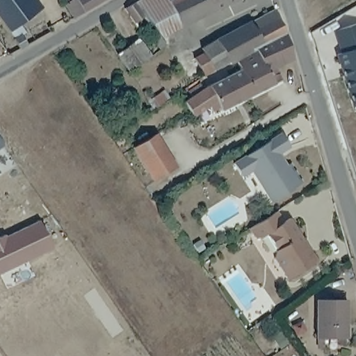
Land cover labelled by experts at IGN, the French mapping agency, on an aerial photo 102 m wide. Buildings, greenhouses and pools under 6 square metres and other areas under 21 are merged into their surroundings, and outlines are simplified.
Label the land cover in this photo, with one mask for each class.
<instances>
[{"label":"agricultural land","instance_id":"1","mask_svg":"<svg viewBox=\"0 0 356 356\"><path fill-rule=\"evenodd\" d=\"M136 146L133 143L131 145L127 140L111 138L104 131L97 115L93 113L88 100L85 96L79 95L75 85L58 64L57 51H53L35 64L26 79L24 96L18 102L4 104V110L0 111V171L15 170L17 175H24L28 179L29 213L32 216H39L42 213L43 204L49 211L56 213L54 218L60 224V235L68 238L83 260L90 261L100 285L106 289L133 335L150 356H298L281 332L275 335L274 341H268L260 330H243L239 316H236L235 310H229L214 286L211 285V278L193 270V264L186 261V257L175 243L174 236L168 234L170 229L160 217L154 199L153 193L147 186L152 185L153 179L140 164L135 153Z\"/></svg>","mask_w":356,"mask_h":356},{"label":"herbaceous vegetation","instance_id":"2","mask_svg":"<svg viewBox=\"0 0 356 356\"><path fill-rule=\"evenodd\" d=\"M305 17L303 22L310 26L311 32L330 24L338 15L356 7V0H298ZM53 22H50L43 10L15 31H11L0 17V50L14 53L26 44L53 32ZM120 33L115 29L111 19L106 24H99L75 38L68 40L64 47L74 50L75 56L86 64L85 78L88 81L75 85L79 95L85 96L88 100L96 95L97 90L107 88L110 81L107 78H110L115 68L122 70L125 67H132L125 61V57H120V53L115 51L114 39ZM170 44H165V40L160 36L159 47L150 50L152 56L147 57V63L142 64L140 70L142 71L139 75L122 76L127 85L138 90L143 110L150 107L147 102L150 97L161 95L164 88L171 89L185 86L189 92H192L193 86L209 76L202 70L203 63H197L195 74L189 76L178 63V53L170 50ZM281 82L292 81L298 95H307L309 86L303 72L300 74L298 71L288 70L281 76ZM328 86L331 88L334 102L341 104L337 113L356 164V106L346 86V72L339 74V78L330 79ZM248 111L257 107L263 111V115L270 114L281 107V103H275L268 95L245 104ZM182 113L181 106L171 102L165 103L163 110H160L152 117L138 121L140 128L135 133L133 143L136 146L142 145L159 133L157 125L163 124L167 118L174 117L175 114ZM245 124L241 113L235 110L234 106L218 113H203L202 117L199 124L193 125L189 133L193 136L195 145L200 146L203 138H209L207 143L213 145L214 136L222 135L236 125ZM286 159L291 160L298 174L302 175L299 191L310 184L311 177H316L321 165L320 156L313 146L300 147L296 152L288 154ZM235 163L225 164L218 170V175L227 179L229 196L242 197L248 193L249 188L245 181L239 177L238 171H234ZM28 179L24 175H17L15 170L0 171V238L14 234L43 218L46 222L47 235H53L56 246L51 252L44 253L29 263L35 275L22 284H4L1 275H0V356H150L133 335L106 289L100 285L90 261L83 260L68 238L60 235V224L54 218L56 213L49 211L43 204L42 213L39 216H32L29 213ZM93 289L99 292L108 309L117 317L122 328L120 334L111 335L100 318L96 317L95 311L86 300V293ZM192 182L191 188L186 189L175 200L172 204V213L195 243L202 241L206 246L210 248L206 238L209 231L204 227L202 217L210 207L227 196L218 192L216 186L211 185L207 179L197 182L192 178L189 179ZM295 202L292 196L274 204L270 213L261 214L256 220L248 221L246 222L250 228L277 213V210ZM222 259L214 254V260L204 261V266H200L199 260L186 257V261L193 264V270L211 278V285L214 286L220 282V277H227L228 273L236 270V266H241L253 284L266 289L275 303L273 310L277 313L305 293L302 286L298 291L292 292L282 278L277 280L274 277L254 243L248 249L241 245L235 253L229 252L227 245H220ZM314 296H310L305 303L289 314L288 324L292 327L305 325L306 331L300 338L311 356H324L323 349L317 348L313 334Z\"/></svg>","mask_w":356,"mask_h":356},{"label":"building","instance_id":"3","mask_svg":"<svg viewBox=\"0 0 356 356\"><path fill-rule=\"evenodd\" d=\"M43 0H0V17L11 31H15L43 10ZM99 0H67L65 4L68 8L65 13L75 18L86 11ZM232 0H136L132 6H122L118 10L122 18L127 19L128 24L135 29L140 22L149 21L159 29L160 36L165 40L170 39L182 28H195L217 17ZM259 24L257 31L248 22L234 31L225 33L207 46L200 44L199 49L203 50V54L196 57L197 63H203L202 70L209 76L193 86L192 92H189L186 96L189 102L188 110L193 115L202 117L203 113H218L234 106L241 102L245 104L268 95L266 89L281 82V76L288 70L298 71L300 74L303 72L298 51L293 49L291 38L286 36L289 28L284 25L275 8L263 14V17L256 18ZM335 61L341 64L339 74L346 72V86L356 106V26L350 29L338 28L335 31ZM152 56L150 50L142 39H138L120 53V57H125V61L132 67L140 70L142 64L147 63V57ZM171 89L164 88L161 95L150 97L147 102L150 107H157L160 110H163L165 103L171 102ZM291 146L282 128L275 131L270 138L260 140L250 147L248 152L236 159L235 163L234 171H238L239 177L245 181L246 177L254 172L267 191L264 196L268 203L274 204L292 196L299 191L302 175L298 174L291 160L286 159L282 154ZM135 153L140 164L153 179L152 185L147 186L153 193L163 189L175 177L185 174L160 133H159L142 145L136 146ZM257 238H266L268 248L275 250L274 259L280 263L285 274L300 268L309 271L311 266H320L321 261H324L327 254L320 248L313 250L307 242L303 218L292 217L289 211L277 213L250 228V231ZM56 246L53 235H47L46 222L43 218L14 234L0 238V275H1L11 268L29 263L44 253L51 252ZM197 252H202L206 246L202 241L195 243ZM348 299L318 300L317 320L318 334L324 341L335 339L338 345H345V339H349L350 345L356 346V330L349 327ZM300 338L306 331L305 325L292 327Z\"/></svg>","mask_w":356,"mask_h":356},{"label":"impervious surface","instance_id":"4","mask_svg":"<svg viewBox=\"0 0 356 356\"><path fill-rule=\"evenodd\" d=\"M136 0H99L86 11L88 17L67 26L53 38L26 51L15 60L0 65V79L56 44L64 42L65 39L71 36L75 38L99 24H106L111 19L110 15L118 10L122 6H132ZM275 8L284 25L289 28L286 36L291 38L293 49L298 51L303 72L309 86L307 95L310 102L306 104L305 110L284 124L282 128L291 146L282 154L286 159L288 154L296 152L300 147L313 146L320 156L321 165L328 177V188L317 195L303 197L299 203L295 202L277 210V213L289 211L292 217L303 218L307 242L313 250L320 248L327 254L324 261L331 263L332 260L342 259L346 254L352 267L343 271L337 282H332V288L324 289L314 296L313 334L317 348L323 349L324 356H356V346L350 345L349 339H345V345H338L335 339L324 341L318 334L317 320L318 300L348 299L349 327L356 330V164L337 113L341 104L334 102L331 88L328 86L330 79L339 78V74L341 64L335 61V31L338 28L350 29L356 26V7L338 15L330 24L311 32L310 26L303 22L305 17L298 0H232L217 17L195 28H182L170 39L165 40V44H170V50L178 53L189 49L193 53L199 49L200 44L207 46L225 33L234 31L248 22L257 31L259 24L256 18L263 17V14ZM249 188L248 193L242 197L229 196H227L210 207L202 217L204 227L209 231H224L225 228L246 222L248 221L246 204L250 197L256 193L264 196L267 191L254 172L246 177L245 181ZM227 206L235 207L236 216L216 227L211 221L213 214ZM254 243L274 277L277 280L282 278L292 292L298 291L302 286L320 273V266H311L309 271L300 268L285 274L280 263L274 259L275 250L268 248L266 238H257L250 231L241 245L248 249ZM35 275L29 263L11 268L1 275L4 284H22ZM235 278L241 280L253 296L254 300L249 305H243L242 300L232 289L231 281ZM220 282L235 300L236 306L241 307L246 320H257L260 324L274 320L277 313L273 310L275 303L266 289L253 284L241 266H236V270L228 273L227 277H220ZM86 300L95 311L96 317L100 318L111 335L120 334L122 328L117 317L108 309L99 292L93 289L86 293Z\"/></svg>","mask_w":356,"mask_h":356},{"label":"deciduous trees","instance_id":"5","mask_svg":"<svg viewBox=\"0 0 356 356\"><path fill-rule=\"evenodd\" d=\"M135 36H138V39H142L150 50L159 47L160 36L159 29L149 21L140 22L135 29ZM58 64L75 85L88 81L85 78L86 64L75 56L74 50L64 47L57 51ZM142 71L140 70L132 67H125L122 70L115 68L110 78H107L110 81L107 88L97 90L96 95L88 100L93 113L97 115L104 131L111 138L127 140L131 145L133 143L135 133L140 128L138 121L152 117L160 110L157 107H150L143 110L138 90L127 85L122 76L139 75ZM189 92L185 86L171 89V102L181 106L182 113L175 114L174 117L167 118L163 124L157 125L159 133H160L177 127H186L188 124L193 125L199 124L202 117L193 115L188 110L189 102L186 96ZM284 124L277 122L267 131L257 132L246 145L225 153L221 160L203 167L192 178L197 182L207 179L211 185L216 186L218 192L227 196H229L227 179L218 175V170L225 164L235 163L236 159L248 152L250 147L260 140L270 138L275 131L282 128ZM328 188V177L321 165L316 177H311L310 184L299 191L292 196L295 202L299 203L303 197L317 195ZM192 182L189 179L174 186L167 195L156 196L154 199L160 217L170 229L168 234L174 236L175 243L186 257L199 260L200 266H204V261L214 260V254L222 259L220 245H227L229 252L235 253L241 245L250 231V228L246 222L225 228L224 231H209L206 238L210 248L206 246L202 252H197L195 243L172 213V204L175 200L186 189L191 188ZM274 204L268 203L264 196L256 193L250 197L246 204L248 221L256 220L261 214L270 213ZM268 341H274L275 335L281 332L280 325L274 320L260 324V330Z\"/></svg>","mask_w":356,"mask_h":356},{"label":"pervious surface","instance_id":"6","mask_svg":"<svg viewBox=\"0 0 356 356\"><path fill-rule=\"evenodd\" d=\"M67 0H43V10L50 22H53V32L26 44L14 53L0 50V65L15 60L26 51L53 38L67 26L88 17L86 11L75 18L65 13L68 8L65 4ZM111 19L115 29L120 33L114 39L115 51L120 53L138 39V36H135V29L128 24L127 19L122 18L118 10L110 15ZM75 38L71 36L65 39L64 42L56 44L0 79V111L4 110V104L18 102L24 96L26 79L35 64L53 51H57L64 47L68 40ZM203 54V50L199 49L193 53L189 49L178 53V63L189 76L195 74L197 63L196 57ZM268 95L275 103H281V107L270 114L263 115V111L257 107L248 111L245 104L241 102L234 106L235 110L241 113L245 124L242 132L222 140L213 149H204L200 146L195 145L193 136L189 133L193 125L188 124L186 127H177L160 133L185 174L175 177L163 189L153 193L154 199L156 196L167 195L174 186L189 179L192 178L203 167L221 160L225 153L246 145L257 132L267 131L277 122L284 124L305 110L306 104L310 102L307 95H298L292 81L281 82L266 89Z\"/></svg>","mask_w":356,"mask_h":356},{"label":"brushwood","instance_id":"7","mask_svg":"<svg viewBox=\"0 0 356 356\"><path fill-rule=\"evenodd\" d=\"M245 124L236 125L222 135L214 136L213 145L207 143L209 138H203L200 146L204 149H213L222 140L242 132ZM320 273L302 286L305 293L277 313L274 320L280 325L281 332L298 356H311L300 338L292 327L288 324L289 314L305 303L310 296H314L324 289L332 288V282H337L343 271L352 267L346 254L342 259L332 260L331 263L324 261H321L320 266ZM229 310H235L236 316H239L243 330H260V324L257 320H246L241 307L236 306L235 300L220 282L214 286Z\"/></svg>","mask_w":356,"mask_h":356},{"label":"swimming pool","instance_id":"8","mask_svg":"<svg viewBox=\"0 0 356 356\"><path fill-rule=\"evenodd\" d=\"M236 216L235 207L227 206L213 214L211 221L216 227ZM232 289L242 300L243 305H249L254 300L253 296L241 280L235 278L231 281Z\"/></svg>","mask_w":356,"mask_h":356}]
</instances>
